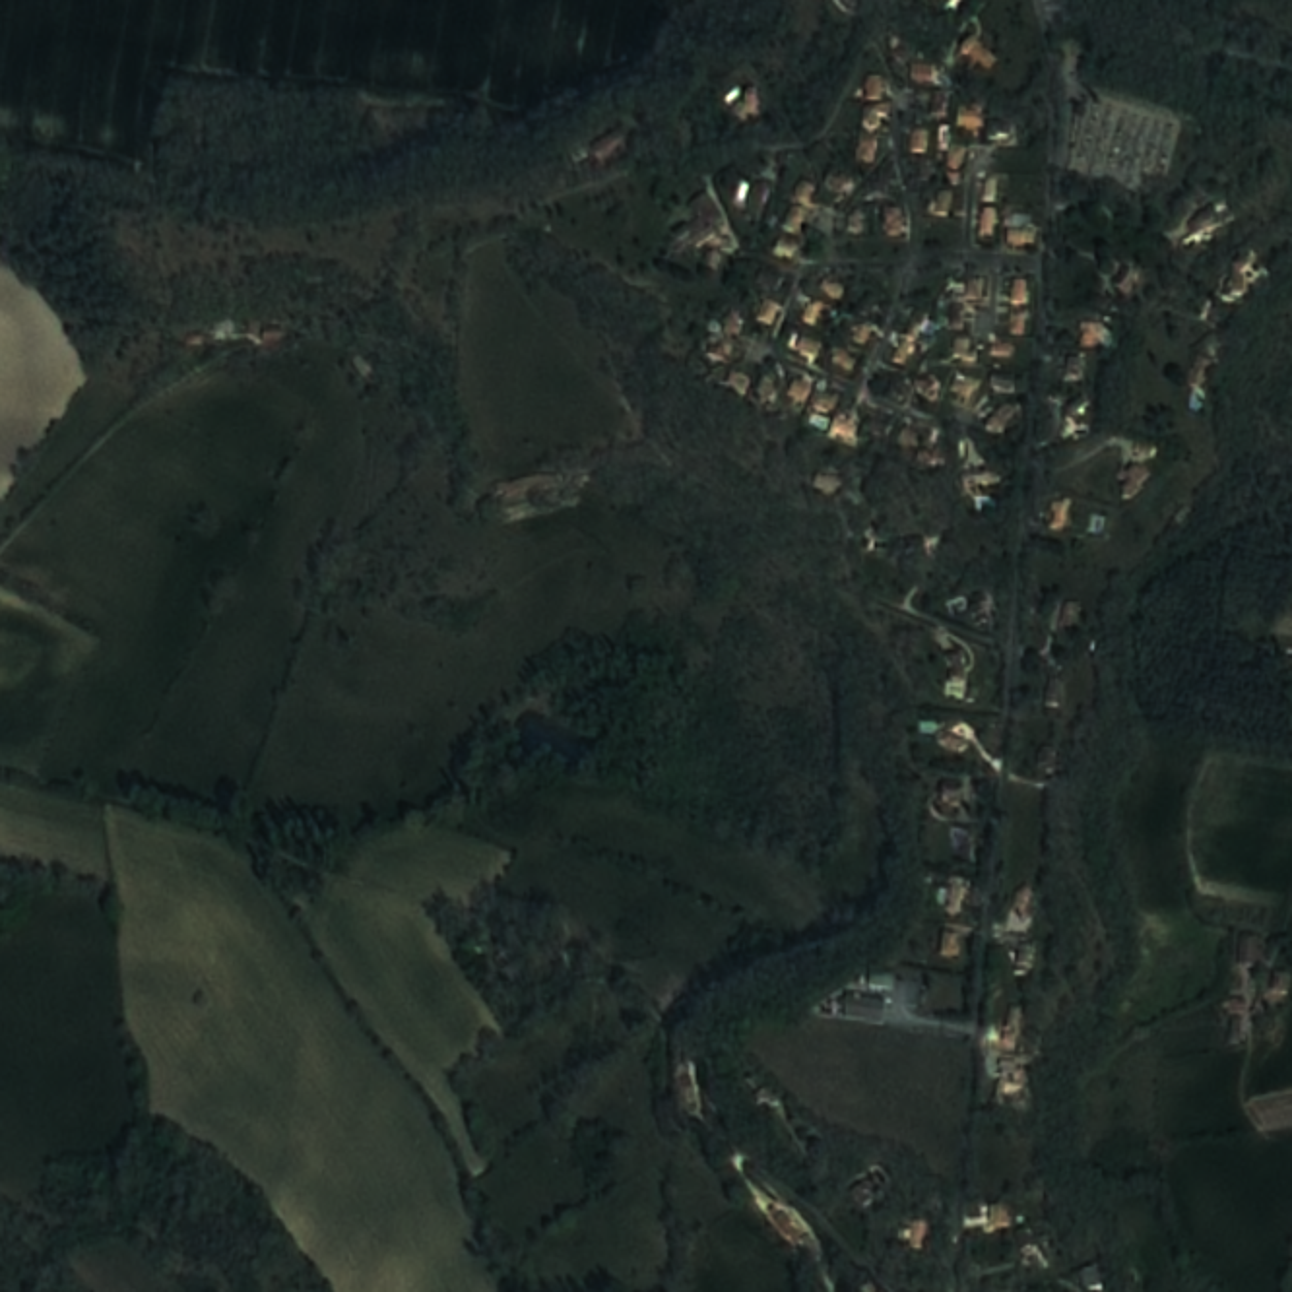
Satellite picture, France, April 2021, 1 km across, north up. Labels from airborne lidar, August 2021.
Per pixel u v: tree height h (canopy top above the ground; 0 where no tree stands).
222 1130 0
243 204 17
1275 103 6
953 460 17
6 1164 0
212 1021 0
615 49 0
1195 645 16
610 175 15
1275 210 8
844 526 14
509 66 0
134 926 0
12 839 0
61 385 0
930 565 15
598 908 0
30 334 0
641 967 0
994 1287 12
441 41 0
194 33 0
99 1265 0
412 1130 0
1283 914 0
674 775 6
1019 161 0
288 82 14
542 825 0
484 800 22
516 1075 0
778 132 18
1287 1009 8
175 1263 15
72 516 0
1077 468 0
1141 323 14
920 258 0
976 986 13
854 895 0
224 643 0
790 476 16
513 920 17
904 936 13
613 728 26
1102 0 21
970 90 16
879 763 15
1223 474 11
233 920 0
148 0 0
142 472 0
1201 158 9
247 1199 8
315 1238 0
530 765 21
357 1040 0
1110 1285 9
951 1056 0
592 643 9
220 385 0
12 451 0
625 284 13
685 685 19
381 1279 0
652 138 16
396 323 16
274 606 0
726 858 0
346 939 0
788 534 17
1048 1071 17
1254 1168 0
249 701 0
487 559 0
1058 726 7
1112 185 13
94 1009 0
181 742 0
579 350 0
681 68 9
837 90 13
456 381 9
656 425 15
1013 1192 11
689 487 16
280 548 0
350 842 29
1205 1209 0
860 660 17
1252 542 15
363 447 0
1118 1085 7
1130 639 18
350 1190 0
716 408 19
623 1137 8
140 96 0
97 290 14
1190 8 19
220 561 0
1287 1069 0
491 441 0
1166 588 16
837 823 6
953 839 0
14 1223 16
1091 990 15
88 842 0
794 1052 0
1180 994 0
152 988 0
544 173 14
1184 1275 11
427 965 0
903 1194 9
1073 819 17
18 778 11
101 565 0
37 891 20
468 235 8
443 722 0
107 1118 0
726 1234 0
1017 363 0
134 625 0
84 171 12
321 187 18
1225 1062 0
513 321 0
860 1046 0
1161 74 17
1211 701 20
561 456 12
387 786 0
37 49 0
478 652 0
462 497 12
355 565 10
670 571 11
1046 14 0
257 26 0
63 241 8
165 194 11
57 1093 0
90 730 0
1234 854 0
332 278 12
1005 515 13
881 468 16
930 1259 9
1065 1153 22
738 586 11
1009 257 0
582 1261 0
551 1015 14
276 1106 0
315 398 0
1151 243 8
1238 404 14
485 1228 28
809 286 10
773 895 0
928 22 16
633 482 24
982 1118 13
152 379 13
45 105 0
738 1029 13
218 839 7
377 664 0
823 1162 12
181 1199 11
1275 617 20
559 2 0
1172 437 7
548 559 0
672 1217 13
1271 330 12
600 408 0
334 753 0
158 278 11
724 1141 12
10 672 0
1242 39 9
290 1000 0
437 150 12
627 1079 0
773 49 7
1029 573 14
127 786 0
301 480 0
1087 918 15
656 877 10
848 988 11
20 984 0
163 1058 0
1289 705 18
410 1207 0
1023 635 8
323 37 0
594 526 0
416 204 11
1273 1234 0
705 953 0
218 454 0
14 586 19
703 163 14
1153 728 15
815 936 6
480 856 0
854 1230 0
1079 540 7
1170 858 0
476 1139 14
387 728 0
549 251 15
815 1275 19
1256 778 0
